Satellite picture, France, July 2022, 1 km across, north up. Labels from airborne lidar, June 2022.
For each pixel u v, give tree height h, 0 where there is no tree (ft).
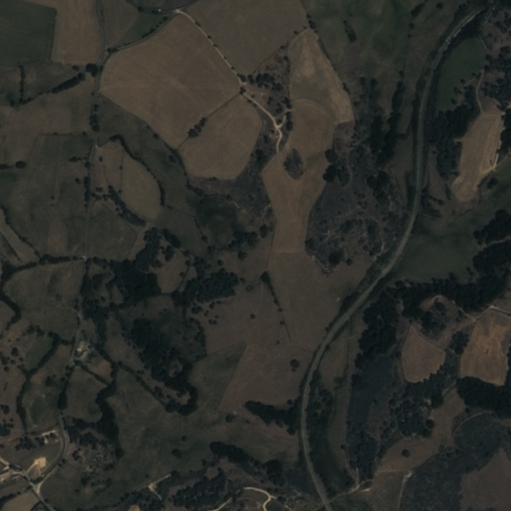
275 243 0
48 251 0
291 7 0
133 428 0
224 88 0
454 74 0
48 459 0
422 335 0
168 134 0
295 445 0
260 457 0
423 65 0
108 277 0
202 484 46
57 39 0
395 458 0
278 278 0
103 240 0
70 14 0
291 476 0
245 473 0
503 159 0
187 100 0
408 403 36
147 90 0
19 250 0
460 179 0
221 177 0
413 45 0
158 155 0
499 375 0
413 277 0
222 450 57
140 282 63
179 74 0
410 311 55
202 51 0
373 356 39
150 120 0
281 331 0
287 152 0
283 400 0
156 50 0
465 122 48
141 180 0
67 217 0
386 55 0
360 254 0
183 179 0
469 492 0
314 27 41
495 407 55
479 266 54
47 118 0
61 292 0
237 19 0
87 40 0
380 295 0
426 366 0
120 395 0
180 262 0
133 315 0
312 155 0
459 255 0
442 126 35
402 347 0
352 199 0
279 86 49
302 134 0
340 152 0
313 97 0
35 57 0
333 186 0
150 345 61
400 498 0
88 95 0
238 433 0
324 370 0
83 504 0
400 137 64
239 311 0
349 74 0
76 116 0
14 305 55
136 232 0
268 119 0
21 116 0
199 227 29
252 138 0
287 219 0
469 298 48
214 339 0
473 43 0
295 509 0
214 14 0
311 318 0
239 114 0
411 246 0
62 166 0
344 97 0
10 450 0
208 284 65
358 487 0
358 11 0
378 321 41
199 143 0
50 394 0
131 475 0
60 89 42
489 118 0
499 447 0
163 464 0
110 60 0
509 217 52
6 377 0
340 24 0
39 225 0
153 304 0
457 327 0
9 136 0
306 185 0
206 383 0
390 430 35
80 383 0
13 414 0
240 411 0
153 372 47
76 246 0
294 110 0
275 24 0
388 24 0
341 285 0
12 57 0
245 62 0
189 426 0
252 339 0
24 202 0
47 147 0
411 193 40
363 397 0
